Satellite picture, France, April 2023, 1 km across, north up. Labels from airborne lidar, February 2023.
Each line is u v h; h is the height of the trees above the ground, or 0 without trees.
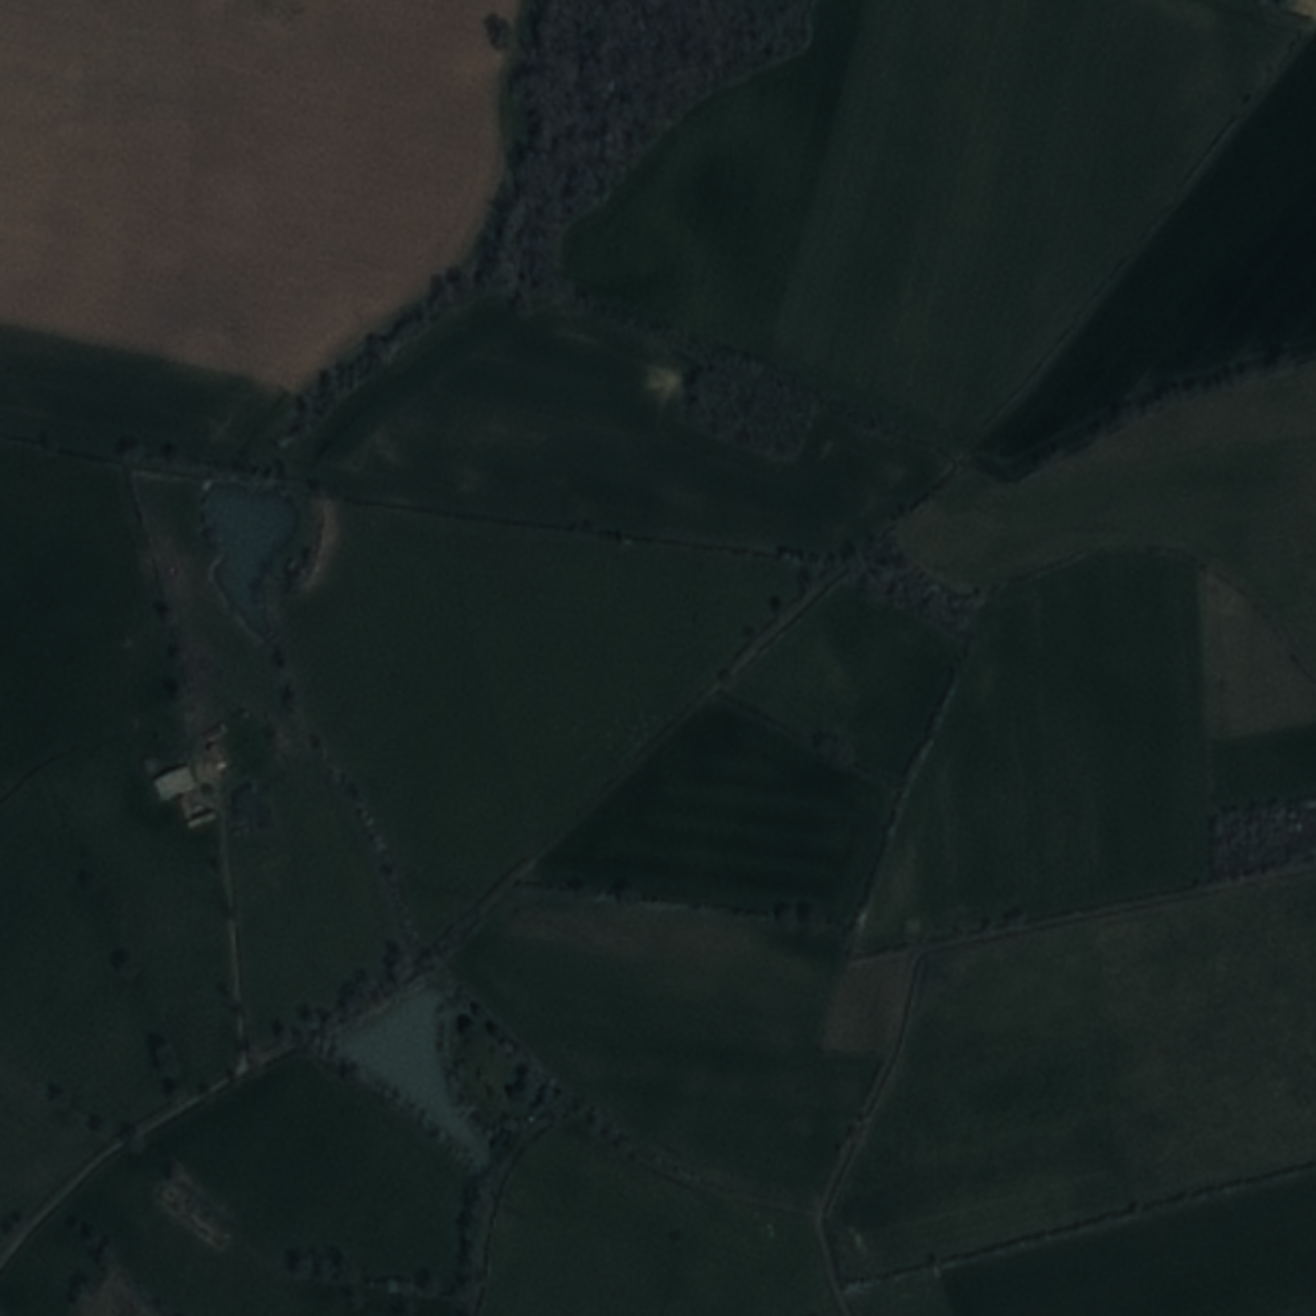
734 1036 0
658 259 0
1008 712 0
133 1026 0
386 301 0
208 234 0
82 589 0
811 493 0
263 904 0
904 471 0
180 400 0
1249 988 0
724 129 0
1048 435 0
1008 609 0
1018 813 0
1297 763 0
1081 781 0
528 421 0
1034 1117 0
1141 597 0
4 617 0
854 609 0
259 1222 0
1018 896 0
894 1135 0
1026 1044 0
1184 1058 0
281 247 0
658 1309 0
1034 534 0
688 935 0
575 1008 0
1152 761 0
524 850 0
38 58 0
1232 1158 0
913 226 0
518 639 0
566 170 11
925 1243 0
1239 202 0
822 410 10
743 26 17
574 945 0
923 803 0
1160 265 0
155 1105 0
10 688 0
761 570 0
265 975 0
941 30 0
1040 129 0
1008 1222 0
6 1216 0
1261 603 0
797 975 0
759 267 0
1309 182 0
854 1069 0
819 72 0
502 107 0
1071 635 0
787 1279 0
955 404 0
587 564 0
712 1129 0
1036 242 0
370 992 17
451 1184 0
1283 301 0
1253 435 0
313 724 0
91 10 0
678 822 0
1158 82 0
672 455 0
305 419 15
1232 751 0
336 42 0
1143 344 0
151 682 0
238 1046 0
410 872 0
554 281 21
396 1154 0
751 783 0
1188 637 0
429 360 0
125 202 0
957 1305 0
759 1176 0
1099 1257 0
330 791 0
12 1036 0
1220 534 0
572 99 15
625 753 0
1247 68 0
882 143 0
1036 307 0
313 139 0
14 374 0
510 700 0
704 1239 0
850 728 0
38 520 0
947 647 0
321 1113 0
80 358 0
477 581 0
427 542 0
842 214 0
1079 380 0
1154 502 0
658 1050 0
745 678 0
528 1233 0
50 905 0
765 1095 0
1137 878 0
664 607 0
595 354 0
